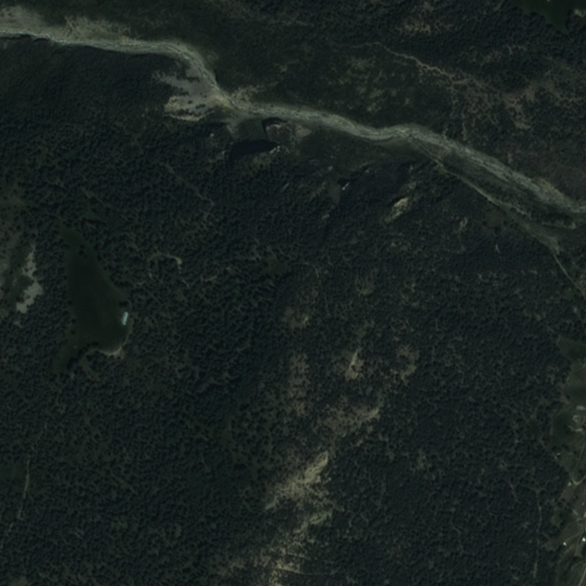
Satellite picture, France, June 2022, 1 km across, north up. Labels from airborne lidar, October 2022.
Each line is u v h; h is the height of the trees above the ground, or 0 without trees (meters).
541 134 10
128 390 19
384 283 11
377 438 21
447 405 17
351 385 13
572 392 0
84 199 33
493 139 8
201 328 9
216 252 19
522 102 7
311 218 14
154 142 16
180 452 24
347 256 11
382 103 8
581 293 10
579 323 14
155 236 20
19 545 13
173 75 6
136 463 15
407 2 9
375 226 8
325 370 13
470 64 8
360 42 6
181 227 15
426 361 11
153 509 11
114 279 14
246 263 13
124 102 7
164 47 0
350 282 11
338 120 0
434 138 0
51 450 9
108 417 14
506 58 7
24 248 7
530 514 18
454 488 13
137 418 20
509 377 10
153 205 19
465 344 7
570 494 0
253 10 8
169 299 13
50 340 19
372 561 13
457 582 7
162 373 15
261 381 12
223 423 27
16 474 0
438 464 18
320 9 15
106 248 14
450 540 14
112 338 0
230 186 15
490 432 14
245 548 10
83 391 15
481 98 6
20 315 12
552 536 13
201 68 0
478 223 8
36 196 23
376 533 9
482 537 13
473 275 9
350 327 14
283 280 18
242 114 0
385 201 7
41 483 9
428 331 11
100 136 10
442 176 9
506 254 10
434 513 7
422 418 17
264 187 19
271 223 14
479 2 17
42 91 7
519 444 6
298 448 11
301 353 10
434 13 8
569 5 0
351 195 8
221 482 30
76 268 0
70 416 17
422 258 9
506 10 15
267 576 7
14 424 10
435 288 9
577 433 0
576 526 0
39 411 8
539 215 7
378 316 9
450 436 16
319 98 6
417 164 10
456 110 6
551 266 6
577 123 10
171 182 17
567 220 9
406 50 7
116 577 15
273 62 6
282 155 8
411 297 6
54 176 21
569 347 0
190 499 26
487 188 8
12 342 20
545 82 0
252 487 18
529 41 14
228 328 24
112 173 14
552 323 8
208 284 18
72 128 13
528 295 9
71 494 18
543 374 11
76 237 0
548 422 12
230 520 15
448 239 6
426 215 9
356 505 8
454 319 12
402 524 9
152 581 15
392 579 13
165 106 19
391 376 17
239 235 25
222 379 25
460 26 10
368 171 9
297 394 7
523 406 10
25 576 7
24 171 14
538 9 0
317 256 9
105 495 21
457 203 8
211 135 16
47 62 7
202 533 14
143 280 14
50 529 16
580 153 6
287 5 10
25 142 15
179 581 8
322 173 6
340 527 9
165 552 12
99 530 15
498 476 16
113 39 0
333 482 8
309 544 9
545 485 15
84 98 6
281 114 0
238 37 7
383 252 12
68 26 7
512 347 10
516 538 10
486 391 11
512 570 6
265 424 17
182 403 19
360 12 9
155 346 15
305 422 15
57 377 13
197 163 14
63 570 17
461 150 0
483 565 12
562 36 15
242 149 10
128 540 17
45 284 13
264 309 25
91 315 0
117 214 21
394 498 17
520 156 7
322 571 10
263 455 14
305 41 7
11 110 8
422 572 18
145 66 5
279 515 8
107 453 11
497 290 18
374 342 9
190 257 17
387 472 11
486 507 18
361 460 18
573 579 0
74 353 0
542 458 20
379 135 0
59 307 12
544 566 14
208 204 13
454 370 15
